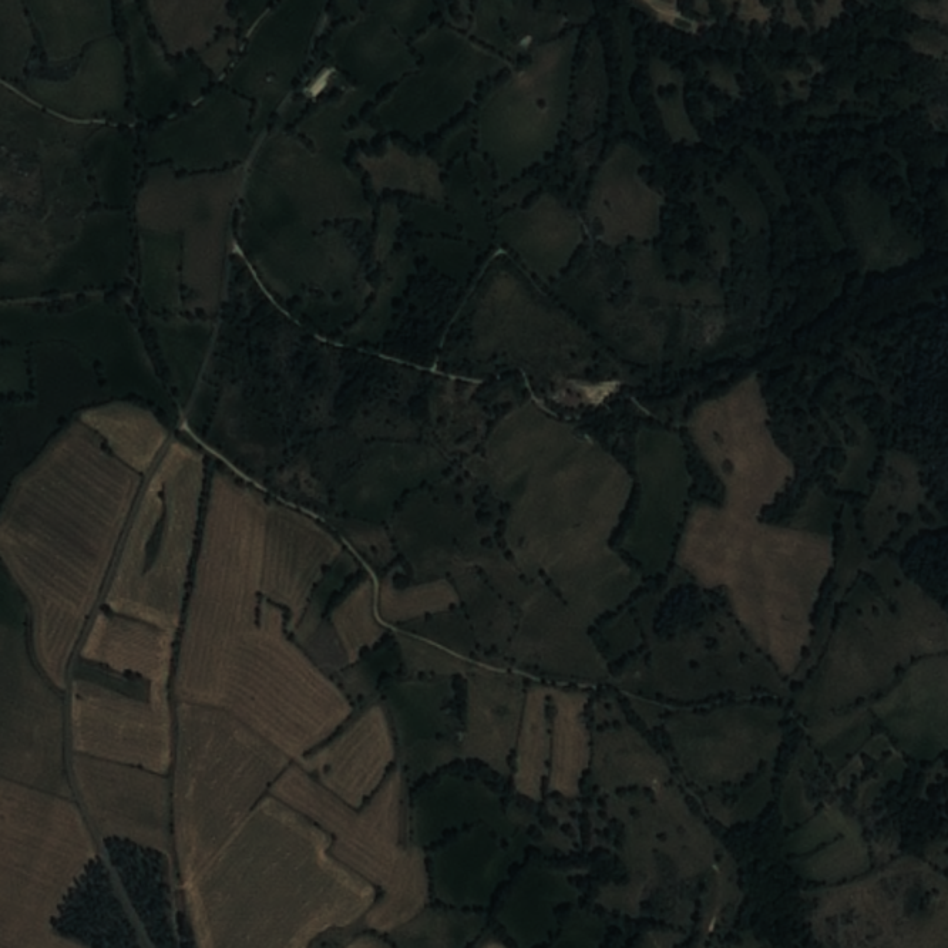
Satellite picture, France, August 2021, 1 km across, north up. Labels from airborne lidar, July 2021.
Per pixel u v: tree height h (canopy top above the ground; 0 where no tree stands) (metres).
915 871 0
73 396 0
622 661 9
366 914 0
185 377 0
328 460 0
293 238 0
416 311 11
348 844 0
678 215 15
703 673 0
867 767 6
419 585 0
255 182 0
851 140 25
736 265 7
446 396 0
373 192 13
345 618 0
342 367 8
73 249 0
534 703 0
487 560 0
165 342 0
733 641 0
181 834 0
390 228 0
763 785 0
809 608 0
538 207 0
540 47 0
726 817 0
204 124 0
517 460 0
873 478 12
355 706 7
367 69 0
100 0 0
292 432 7
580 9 0
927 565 16
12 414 0
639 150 12
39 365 0
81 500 0
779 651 0
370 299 9
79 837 0
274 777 0
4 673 0
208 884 0
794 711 8
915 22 14
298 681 0
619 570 0
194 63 10
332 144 0
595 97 0
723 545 0
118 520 0
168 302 0
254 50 0
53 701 0
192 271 0
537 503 0
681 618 16
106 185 0
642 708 0
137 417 0
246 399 7
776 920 13
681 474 0
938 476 8
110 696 0
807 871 0
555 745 0
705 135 18
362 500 0
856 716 0
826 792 6
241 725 0
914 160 16
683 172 11
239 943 0
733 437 0
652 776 0
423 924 0
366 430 0
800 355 17
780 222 17
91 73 0
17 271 0
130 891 15
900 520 11
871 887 0
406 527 0
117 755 0
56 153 0
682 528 10
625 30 0
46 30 0
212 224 0
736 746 0
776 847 14
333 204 0
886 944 0
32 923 0
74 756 0
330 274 0
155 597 0
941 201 19
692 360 7
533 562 0
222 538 0
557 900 0
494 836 11
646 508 0
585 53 12
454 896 0
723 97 26
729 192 0
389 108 0
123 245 0
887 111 16
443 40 0
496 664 0
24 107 0
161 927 12
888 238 0
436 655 0
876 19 13
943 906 0
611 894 0
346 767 0
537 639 0
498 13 0
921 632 0
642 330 0
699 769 0
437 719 0
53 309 10
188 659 0
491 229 6
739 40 20
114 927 13
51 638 0
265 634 0
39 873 0
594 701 7
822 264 15
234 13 12
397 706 0
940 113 0
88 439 0
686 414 10
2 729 0
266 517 0
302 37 0
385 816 0
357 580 9
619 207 0
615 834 10
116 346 0
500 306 0
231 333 0
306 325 14
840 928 0
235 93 9
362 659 10
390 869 0
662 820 0
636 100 16
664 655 0
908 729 0
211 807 0
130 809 0
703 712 9
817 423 8
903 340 13
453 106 0
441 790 0
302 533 0
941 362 16
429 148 15
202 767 0
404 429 0
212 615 0
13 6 0
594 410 9
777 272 13
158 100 0
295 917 0
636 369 10
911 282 20
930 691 0
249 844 0
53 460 0
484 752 0
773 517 11
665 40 15
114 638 0
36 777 0
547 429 0
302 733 0
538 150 0
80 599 0
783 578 0
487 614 0
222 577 0
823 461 8
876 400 13
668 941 0
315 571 0
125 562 0
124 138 13
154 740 0
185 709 0
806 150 6
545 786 10
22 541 0
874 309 19
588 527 0
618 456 9
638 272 0
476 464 0
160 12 0
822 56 11
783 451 11
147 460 0
